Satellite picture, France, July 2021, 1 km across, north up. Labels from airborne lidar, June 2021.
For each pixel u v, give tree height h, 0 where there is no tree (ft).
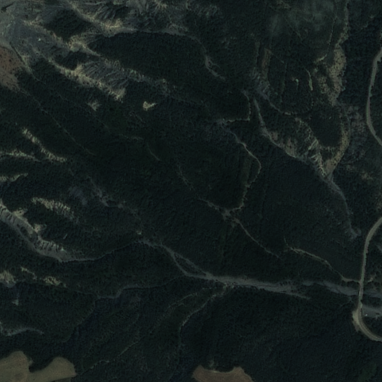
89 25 28
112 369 32
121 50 28
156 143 22
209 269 41
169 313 31
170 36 36
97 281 30
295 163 50
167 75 33
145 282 37
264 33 41
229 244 30
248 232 27
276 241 31
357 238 22
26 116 48
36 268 22
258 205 31
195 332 32
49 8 0
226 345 27
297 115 22
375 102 28
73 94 50
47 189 35
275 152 41
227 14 38
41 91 60
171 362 53
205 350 21
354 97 49
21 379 0
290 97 46
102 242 31
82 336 53
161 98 30
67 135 38
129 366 44
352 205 40
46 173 49
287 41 45
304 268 22
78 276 27
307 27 22
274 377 37
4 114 40
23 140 50
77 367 26
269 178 33
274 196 46
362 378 0
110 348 22
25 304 27
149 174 21
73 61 26
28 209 31
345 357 68
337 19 23
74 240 45
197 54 35
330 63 20
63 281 32
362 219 41
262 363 36
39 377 0
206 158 22
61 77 54
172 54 45
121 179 33
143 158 22
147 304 59
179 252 45
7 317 38
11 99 51
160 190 44
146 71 27
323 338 70
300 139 21
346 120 35
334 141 34
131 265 22
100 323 35
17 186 45
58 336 56
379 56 0
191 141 23
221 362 26
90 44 22
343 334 57
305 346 33
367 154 21
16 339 53
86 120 42
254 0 35
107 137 26
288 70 44
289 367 38
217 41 36
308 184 66
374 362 36
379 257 54
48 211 37
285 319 40
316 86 31
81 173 80
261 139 48
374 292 0
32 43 0
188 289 43
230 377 0
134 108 26
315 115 28
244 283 0
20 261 27
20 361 0
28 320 53
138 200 39
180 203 50
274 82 36
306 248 40
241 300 57
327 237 40
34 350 25
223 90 53
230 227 31
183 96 43
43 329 39
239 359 45
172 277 29
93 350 42
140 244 71
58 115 49
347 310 36
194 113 52
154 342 21
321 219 31
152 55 38
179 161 42
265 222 41
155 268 49
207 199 37
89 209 36
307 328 42
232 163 44
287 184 35
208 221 45
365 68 37
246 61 33
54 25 27
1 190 24
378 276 36
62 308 28
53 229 32
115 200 38
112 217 34
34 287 67
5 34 0
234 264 19
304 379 38
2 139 22
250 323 44
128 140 26
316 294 24
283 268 48
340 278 39
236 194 21
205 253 31
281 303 28
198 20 31
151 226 56
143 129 20
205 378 0
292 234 31
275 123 34
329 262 31
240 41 33
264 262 24
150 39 51
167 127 36
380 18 21
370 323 26
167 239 26
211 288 27
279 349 47
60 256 0
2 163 28
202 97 30
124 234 54
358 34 48
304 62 58
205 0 21
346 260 34
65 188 52
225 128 57
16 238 32
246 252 43
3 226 43
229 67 36
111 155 22
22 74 26
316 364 36
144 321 37
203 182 18
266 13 35
